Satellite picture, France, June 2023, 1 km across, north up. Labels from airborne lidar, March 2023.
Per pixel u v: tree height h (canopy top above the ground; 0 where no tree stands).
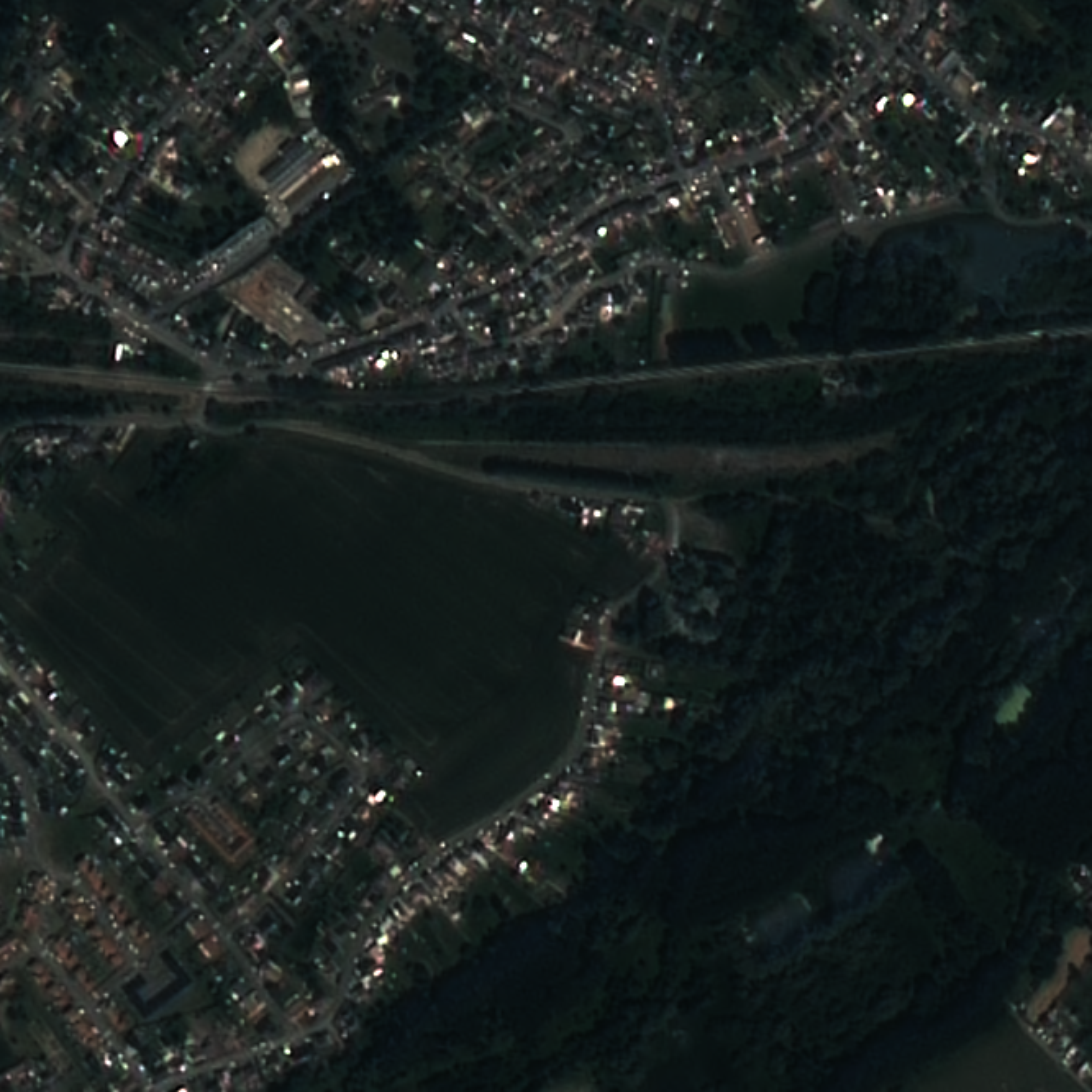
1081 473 30
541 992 39
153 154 0
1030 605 0
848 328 25
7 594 0
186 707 0
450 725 0
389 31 0
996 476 20
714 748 19
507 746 0
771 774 30
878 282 15
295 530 0
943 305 14
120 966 0
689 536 0
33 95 0
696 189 0
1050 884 11
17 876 0
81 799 0
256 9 0
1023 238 0
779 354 0
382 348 0
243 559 0
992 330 10
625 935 16
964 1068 0
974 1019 26
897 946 7
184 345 0
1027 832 37
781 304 0
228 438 0
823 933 17
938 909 7
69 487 0
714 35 9
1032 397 11
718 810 11
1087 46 19
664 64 0
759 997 8
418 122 12
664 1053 5
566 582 0
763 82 0
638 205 0
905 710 14
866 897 12
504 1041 15
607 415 11
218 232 6
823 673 21
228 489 0
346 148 12
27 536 0
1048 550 30
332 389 0
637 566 0
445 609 0
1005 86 12
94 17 0
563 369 12
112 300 0
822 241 0
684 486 0
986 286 0
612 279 0
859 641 24
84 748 0
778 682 24
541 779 0
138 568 0
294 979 0
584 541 0
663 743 7
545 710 0
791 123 0
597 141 15
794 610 18
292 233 8
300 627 0
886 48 0
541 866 0
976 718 26
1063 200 0
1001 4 0
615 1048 13
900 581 17
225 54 0
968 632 21
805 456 0
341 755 0
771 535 13
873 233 0
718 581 21
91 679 0
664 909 31
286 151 0
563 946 38
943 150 0
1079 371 24
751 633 21
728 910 16
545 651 0
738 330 0
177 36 0
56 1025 0
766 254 0
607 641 0
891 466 13
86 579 0
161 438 0
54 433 0
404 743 0
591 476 15
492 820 0
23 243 0
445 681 0
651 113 6
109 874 0
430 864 0
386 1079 9
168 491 8
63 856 0
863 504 10
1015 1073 0
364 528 0
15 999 6
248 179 0
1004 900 0
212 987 7
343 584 0
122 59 0
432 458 0
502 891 0
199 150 0
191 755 0
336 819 0
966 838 0
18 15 20
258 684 0
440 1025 17
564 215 0
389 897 0
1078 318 6
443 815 0
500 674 0
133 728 0
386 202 10
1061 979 0
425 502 0
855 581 6
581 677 0
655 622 22
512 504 0
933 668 31
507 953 37
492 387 0
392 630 0
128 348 0
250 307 0
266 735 0
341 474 0
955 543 23
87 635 0
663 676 0
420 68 10
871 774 13
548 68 0
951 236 10
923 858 30
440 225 0
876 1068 36
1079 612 14
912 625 23
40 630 0
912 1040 37
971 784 32
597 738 0
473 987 32
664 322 0
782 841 36
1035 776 37
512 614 0
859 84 0
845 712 23
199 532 0
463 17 0
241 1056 0
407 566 0
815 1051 9
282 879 0
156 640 0
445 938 0
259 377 0
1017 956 20
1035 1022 0
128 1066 0
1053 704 32
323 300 15
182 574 0
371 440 0
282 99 0
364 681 0
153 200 19
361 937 0
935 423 7
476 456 0
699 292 0
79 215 0
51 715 0
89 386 0
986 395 11
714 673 0
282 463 0
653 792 19
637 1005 13
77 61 8
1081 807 34
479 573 0
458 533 0
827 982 12
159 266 0
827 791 25
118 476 0
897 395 7
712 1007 0
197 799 0
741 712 23
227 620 0
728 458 0
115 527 0
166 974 0
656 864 37
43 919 0
